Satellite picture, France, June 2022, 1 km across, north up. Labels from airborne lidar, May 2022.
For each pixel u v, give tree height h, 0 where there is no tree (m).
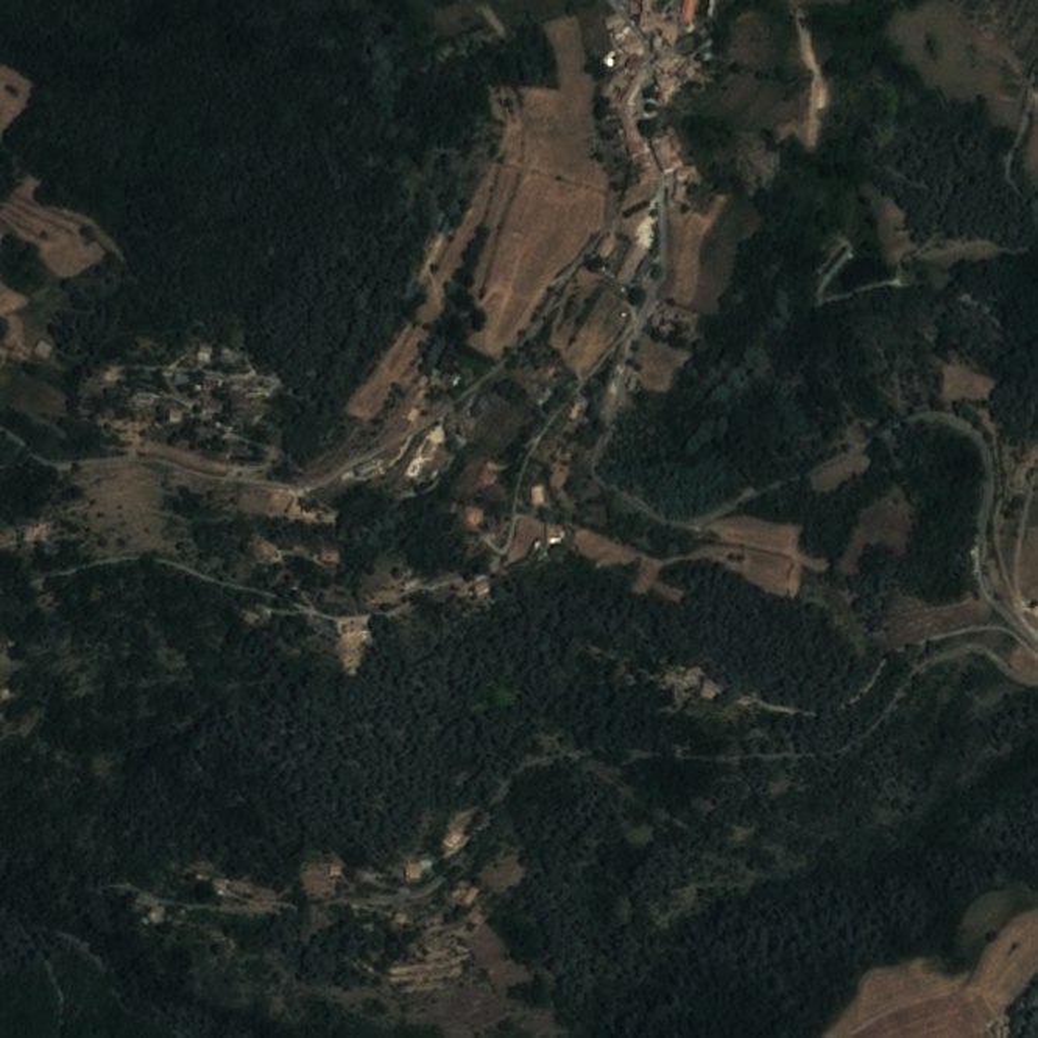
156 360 7
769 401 8
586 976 23
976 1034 0
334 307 16
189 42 16
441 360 13
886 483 13
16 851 11
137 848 13
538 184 0
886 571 19
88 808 13
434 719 26
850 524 16
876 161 9
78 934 13
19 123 12
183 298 8
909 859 13
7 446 7
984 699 0
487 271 0
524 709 10
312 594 8
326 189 9
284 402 13
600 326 0
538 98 0
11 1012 10
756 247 15
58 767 9
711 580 16
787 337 16
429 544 9
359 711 20
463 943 9
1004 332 6
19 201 0
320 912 6
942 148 17
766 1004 7
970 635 0
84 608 13
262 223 14
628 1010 6
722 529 0
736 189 6
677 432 14
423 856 6
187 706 15
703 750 8
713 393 11
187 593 11
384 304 21
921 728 7
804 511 12
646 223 0
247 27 13
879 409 8
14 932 18
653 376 0
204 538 16
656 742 21
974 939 0
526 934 11
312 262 17
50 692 12
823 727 22
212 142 9
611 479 14
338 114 10
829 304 15
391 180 8
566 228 0
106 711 11
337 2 12
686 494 12
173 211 9
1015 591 0
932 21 0
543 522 9
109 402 9
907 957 6
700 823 9
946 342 17
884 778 15
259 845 9
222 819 11
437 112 11
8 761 9
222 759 12
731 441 18
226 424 10
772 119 0
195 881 13
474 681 24
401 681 22
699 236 0
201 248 9
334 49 17
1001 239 14
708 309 0
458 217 15
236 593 9
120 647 13
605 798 16
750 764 8
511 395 15
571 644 21
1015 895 0
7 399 0
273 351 18
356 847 23
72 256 0
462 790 13
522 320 0
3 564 13
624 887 11
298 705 19
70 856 11
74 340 14
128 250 6
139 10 14
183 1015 25
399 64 7
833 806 7
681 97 0
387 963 8
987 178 14
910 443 13
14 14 15
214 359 6
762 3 12
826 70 8
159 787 14
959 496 11
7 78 0
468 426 0
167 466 0
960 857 10
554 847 20
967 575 15
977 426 10
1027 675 0
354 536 21
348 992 16
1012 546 0
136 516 0
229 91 13
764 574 0
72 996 8
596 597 14
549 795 9
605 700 12
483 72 6
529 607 20
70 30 15
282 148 12
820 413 11
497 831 14
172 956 8
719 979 11
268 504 0
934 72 0
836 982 11
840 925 25
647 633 10
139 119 12
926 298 14
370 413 0
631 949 22
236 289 10
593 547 0
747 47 0
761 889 12
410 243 7
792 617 11
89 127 13
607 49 0
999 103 0
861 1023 0
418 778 24
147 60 10
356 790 15
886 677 9
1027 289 23
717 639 15
